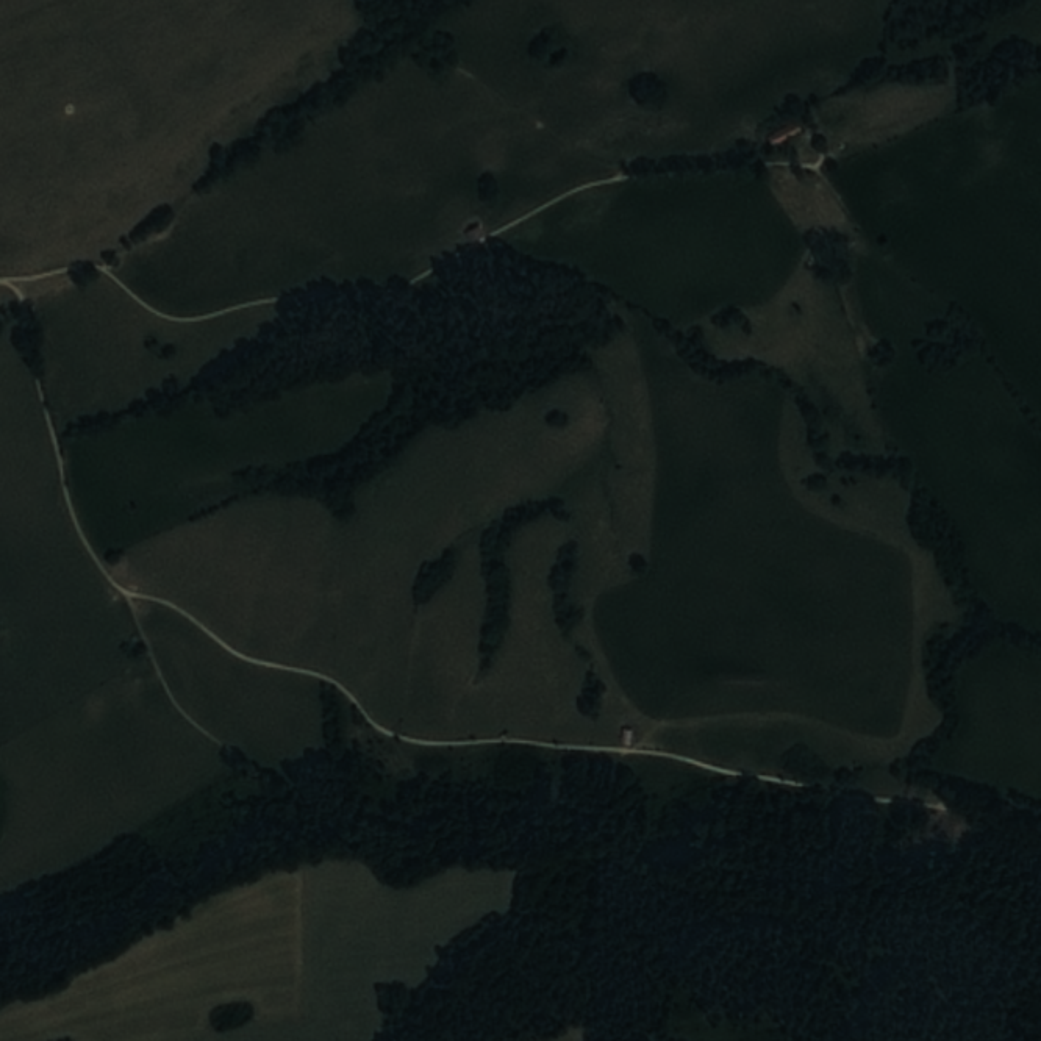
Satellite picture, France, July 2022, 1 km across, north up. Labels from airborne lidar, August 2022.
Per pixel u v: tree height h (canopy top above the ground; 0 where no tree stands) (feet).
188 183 0
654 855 56
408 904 0
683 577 0
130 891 34
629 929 81
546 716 0
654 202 0
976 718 0
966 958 114
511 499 0
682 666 0
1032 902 72
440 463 0
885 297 0
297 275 0
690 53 0
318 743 0
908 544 0
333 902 0
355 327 92
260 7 0
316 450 0
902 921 130
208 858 56
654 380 0
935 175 0
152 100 0
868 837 87
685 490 0
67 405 0
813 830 68
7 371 0
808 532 0
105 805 0
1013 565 0
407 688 0
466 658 0
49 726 0
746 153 44
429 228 0
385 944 0
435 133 0
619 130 0
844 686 0
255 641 0
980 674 0
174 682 0
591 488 0
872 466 64
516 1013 51
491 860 70
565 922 44
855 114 0
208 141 0
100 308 0
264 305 0
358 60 45
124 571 0
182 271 0
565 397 0
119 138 0
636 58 0
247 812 34
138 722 0
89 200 0
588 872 31
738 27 0
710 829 51
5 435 0
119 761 0
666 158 0
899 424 0
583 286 76
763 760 0
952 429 0
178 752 0
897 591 0
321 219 0
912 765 45
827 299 0
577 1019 50
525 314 55
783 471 0
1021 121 0
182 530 0
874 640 0
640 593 0
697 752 0
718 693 0
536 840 124
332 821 48
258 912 0
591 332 88
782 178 0
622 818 101
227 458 0
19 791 0
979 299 0
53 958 75
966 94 34
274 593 0
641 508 0
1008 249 0
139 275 0
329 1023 0
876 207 0
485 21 0
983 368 0
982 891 73
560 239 0
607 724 0
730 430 0
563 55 30
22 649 0
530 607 0
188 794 0
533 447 0
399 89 0
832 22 0
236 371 78
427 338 90
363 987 0
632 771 38
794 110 51
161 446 0
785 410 0
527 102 0
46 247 0
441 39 36
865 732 0
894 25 76
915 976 120
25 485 0
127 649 25
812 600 0
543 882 24
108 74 0
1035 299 0
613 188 0
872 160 0
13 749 0
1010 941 85
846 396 0
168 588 0
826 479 33
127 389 0
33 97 0
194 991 0
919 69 43
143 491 0
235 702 0
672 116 0
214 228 0
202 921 0
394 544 0
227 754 0
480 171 0
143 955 0
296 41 0
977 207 0
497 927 77
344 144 0
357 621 0
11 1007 0
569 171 0
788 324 0
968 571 19
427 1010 59
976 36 91
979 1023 113
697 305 0
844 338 0
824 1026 56
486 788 27
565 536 0
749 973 73
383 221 0
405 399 72
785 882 89
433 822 53
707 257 0
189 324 0
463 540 0
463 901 0
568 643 0
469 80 0
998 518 0
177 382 49
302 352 56
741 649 0
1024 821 112
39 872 0
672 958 113
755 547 0
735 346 0
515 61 0
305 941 0
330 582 0
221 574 0
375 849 81
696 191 0
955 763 0
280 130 54
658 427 0
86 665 0
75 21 0
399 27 62
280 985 0
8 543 0
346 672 0
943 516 23
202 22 0
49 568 0
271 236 0
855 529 0
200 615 0
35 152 0
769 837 64
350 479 75
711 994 99
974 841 65
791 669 0
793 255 0
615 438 0
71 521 0
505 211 0
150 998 0
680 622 0
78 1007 0
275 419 0
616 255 0
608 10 0
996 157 0
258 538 0
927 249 0
